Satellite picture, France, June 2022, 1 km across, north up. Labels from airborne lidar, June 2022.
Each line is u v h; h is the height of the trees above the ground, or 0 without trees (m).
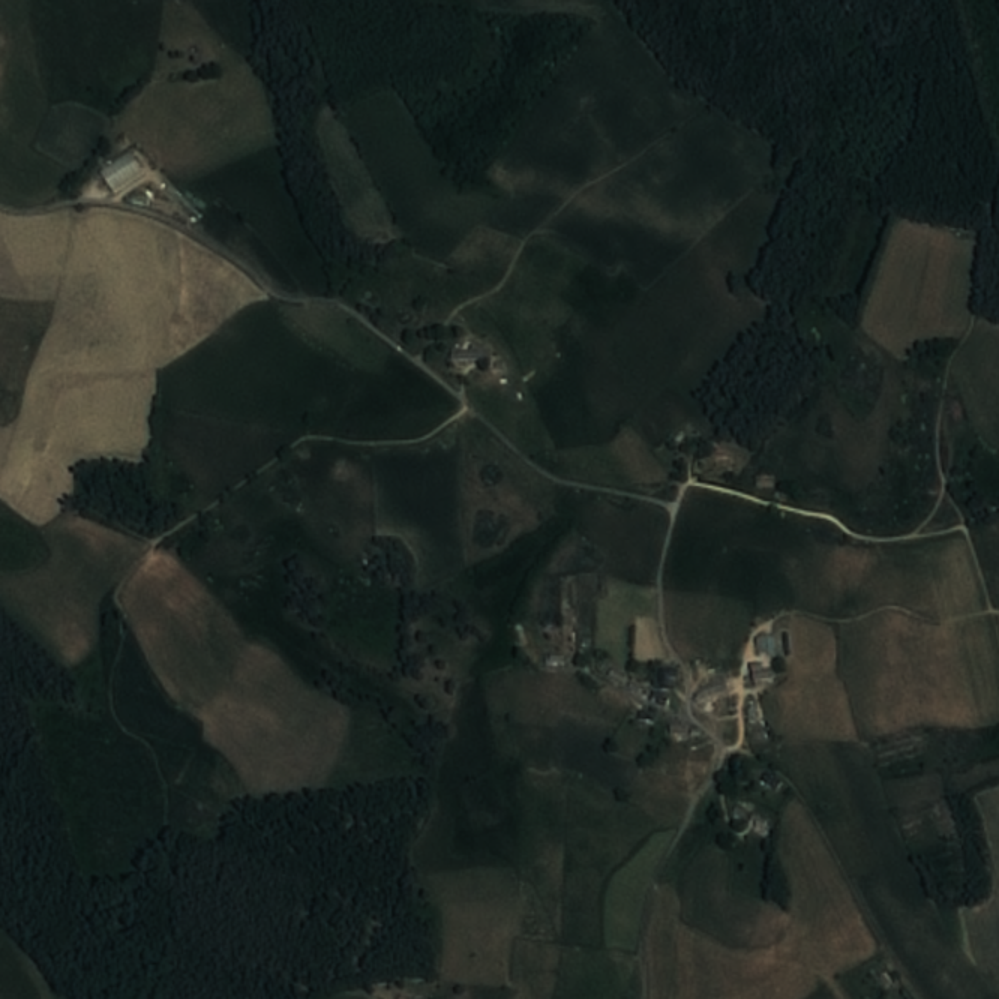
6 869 26
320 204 18
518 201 0
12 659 20
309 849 21
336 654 0
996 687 0
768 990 0
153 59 0
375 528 0
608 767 0
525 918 0
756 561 0
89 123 0
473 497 0
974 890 12
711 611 0
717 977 0
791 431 0
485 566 8
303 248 0
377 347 0
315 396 0
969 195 23
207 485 0
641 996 0
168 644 0
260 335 0
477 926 0
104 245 0
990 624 0
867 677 0
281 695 0
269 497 0
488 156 12
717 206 0
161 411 12
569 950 0
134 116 0
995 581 0
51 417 0
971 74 17
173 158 0
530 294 0
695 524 0
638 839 0
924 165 21
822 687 0
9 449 0
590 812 0
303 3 17
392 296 0
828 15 22
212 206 0
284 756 0
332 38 11
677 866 0
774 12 19
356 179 0
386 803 21
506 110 10
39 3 0
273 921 25
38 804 30
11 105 0
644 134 0
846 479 0
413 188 0
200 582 0
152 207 0
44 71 0
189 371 0
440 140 13
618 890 0
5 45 0
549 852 0
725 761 0
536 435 0
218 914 25
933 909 0
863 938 0
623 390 0
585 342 0
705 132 0
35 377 0
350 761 0
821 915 0
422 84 12
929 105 24
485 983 0
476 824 0
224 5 0
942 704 0
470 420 0
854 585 0
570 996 0
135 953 31
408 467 0
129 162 0
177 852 23
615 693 0
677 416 0
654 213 0
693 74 19
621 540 0
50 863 27
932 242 0
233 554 0
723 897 0
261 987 28
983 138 22
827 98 21
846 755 0
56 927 29
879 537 0
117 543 0
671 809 0
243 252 0
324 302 0
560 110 0
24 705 26
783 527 0
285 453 17
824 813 0
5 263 0
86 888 32
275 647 0
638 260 0
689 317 0
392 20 15
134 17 0
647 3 20
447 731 17
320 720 0
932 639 0
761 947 0
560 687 0
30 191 0
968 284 0
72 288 0
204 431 0
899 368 0
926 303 0
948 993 0
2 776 22
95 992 37
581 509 0
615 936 0
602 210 0
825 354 23
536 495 0
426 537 0
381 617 0
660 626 0
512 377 0
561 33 13
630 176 0
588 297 0
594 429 0
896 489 0
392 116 0
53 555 0
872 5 21
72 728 0
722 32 21
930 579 0
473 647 0
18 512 0
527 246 0
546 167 0
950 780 0
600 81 0
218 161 0
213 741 0
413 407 0
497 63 11
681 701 0
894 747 0
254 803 22
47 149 0
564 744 0
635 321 0
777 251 19
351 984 27
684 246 0
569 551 0
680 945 0
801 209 22
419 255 0
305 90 20
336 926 20
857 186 15
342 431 0
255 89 0
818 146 13
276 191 0
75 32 0
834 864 0
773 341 20
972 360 0
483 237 0
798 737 0
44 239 0
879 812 0
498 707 0
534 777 0
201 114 0
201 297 0
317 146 6
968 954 0
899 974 9
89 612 0
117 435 0
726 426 13
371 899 26
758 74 20
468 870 0
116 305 0
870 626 0
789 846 0
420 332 10
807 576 0
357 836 22
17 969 0
